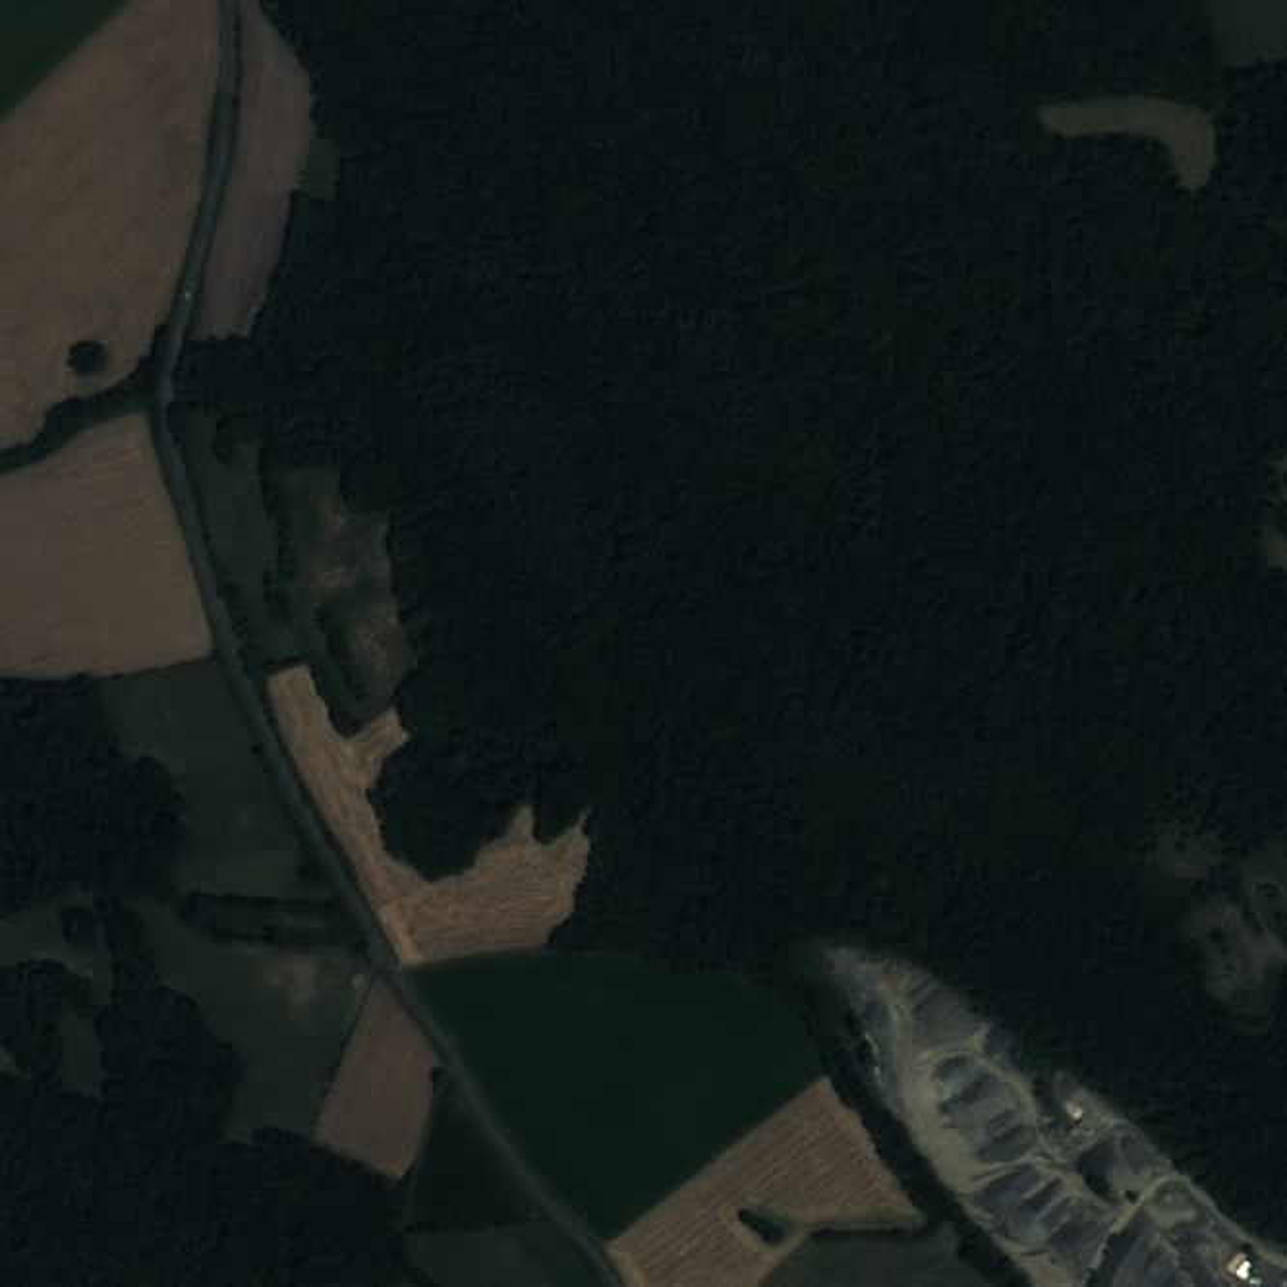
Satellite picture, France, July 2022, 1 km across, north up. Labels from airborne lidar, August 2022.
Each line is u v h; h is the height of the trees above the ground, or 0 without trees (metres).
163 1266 14
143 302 0
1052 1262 0
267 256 0
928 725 14
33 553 0
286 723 0
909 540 19
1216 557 11
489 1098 0
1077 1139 0
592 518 28
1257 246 21
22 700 22
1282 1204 19
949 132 20
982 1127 0
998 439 19
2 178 0
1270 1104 16
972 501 19
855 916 17
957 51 16
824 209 20
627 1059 0
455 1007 0
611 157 21
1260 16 0
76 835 28
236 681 0
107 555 0
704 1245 0
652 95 17
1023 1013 19
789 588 17
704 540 12
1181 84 16
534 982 0
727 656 14
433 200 20
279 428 13
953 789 10
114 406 9
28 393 0
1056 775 10
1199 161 0
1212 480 14
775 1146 0
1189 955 7
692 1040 0
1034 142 16
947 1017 0
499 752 20
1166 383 18
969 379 18
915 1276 0
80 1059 0
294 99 0
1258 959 0
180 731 0
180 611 0
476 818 19
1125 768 12
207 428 0
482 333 20
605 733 11
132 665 0
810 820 15
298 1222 9
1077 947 16
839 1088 15
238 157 0
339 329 23
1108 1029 19
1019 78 15
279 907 9
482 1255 0
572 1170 0
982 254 15
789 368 19
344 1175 18
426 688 17
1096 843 8
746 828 19
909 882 11
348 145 15
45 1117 18
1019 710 18
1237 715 20
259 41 0
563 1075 0
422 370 22
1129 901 14
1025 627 14
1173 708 23
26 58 0
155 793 21
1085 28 17
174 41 0
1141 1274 0
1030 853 14
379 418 14
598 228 18
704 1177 0
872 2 19
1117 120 0
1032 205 17
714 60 18
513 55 19
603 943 13
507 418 27
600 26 15
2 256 0
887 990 0
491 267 24
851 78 20
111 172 0
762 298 16
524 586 15
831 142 15
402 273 14
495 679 17
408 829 19
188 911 15
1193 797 13
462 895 0
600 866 15
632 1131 0
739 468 16
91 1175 21
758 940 12
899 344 11
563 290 18
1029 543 17
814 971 0
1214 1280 0
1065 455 21
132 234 0
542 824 16
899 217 17
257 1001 0
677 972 16
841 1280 0
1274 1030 9
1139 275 14
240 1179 16
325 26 22
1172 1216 0
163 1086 21
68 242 0
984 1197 0
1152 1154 0
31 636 0
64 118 0
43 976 17
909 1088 0
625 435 25
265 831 0
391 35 15
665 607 15
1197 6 18
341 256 18
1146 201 15
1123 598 21
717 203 18
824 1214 0
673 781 16
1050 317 19
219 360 22
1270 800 15
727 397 25
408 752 15
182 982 0
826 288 8
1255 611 16
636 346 19
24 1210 20
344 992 0
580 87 16
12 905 19
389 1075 0
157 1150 19
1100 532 18
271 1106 0
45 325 0
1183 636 20
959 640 19
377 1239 14
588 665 9
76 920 21
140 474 0
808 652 17
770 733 15
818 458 9
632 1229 0
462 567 13
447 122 21
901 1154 15
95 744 24
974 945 20
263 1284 16
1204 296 19
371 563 0
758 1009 0
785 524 13
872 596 17
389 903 0
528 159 18
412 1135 0
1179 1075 18
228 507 0
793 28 20
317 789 0
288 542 11
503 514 23
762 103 18
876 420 18
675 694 12
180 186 0
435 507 15
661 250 18
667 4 16
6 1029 21
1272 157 14
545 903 0
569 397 21
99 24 0
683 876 12
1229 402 17
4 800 26
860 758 13
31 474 0
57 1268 16
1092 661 21
